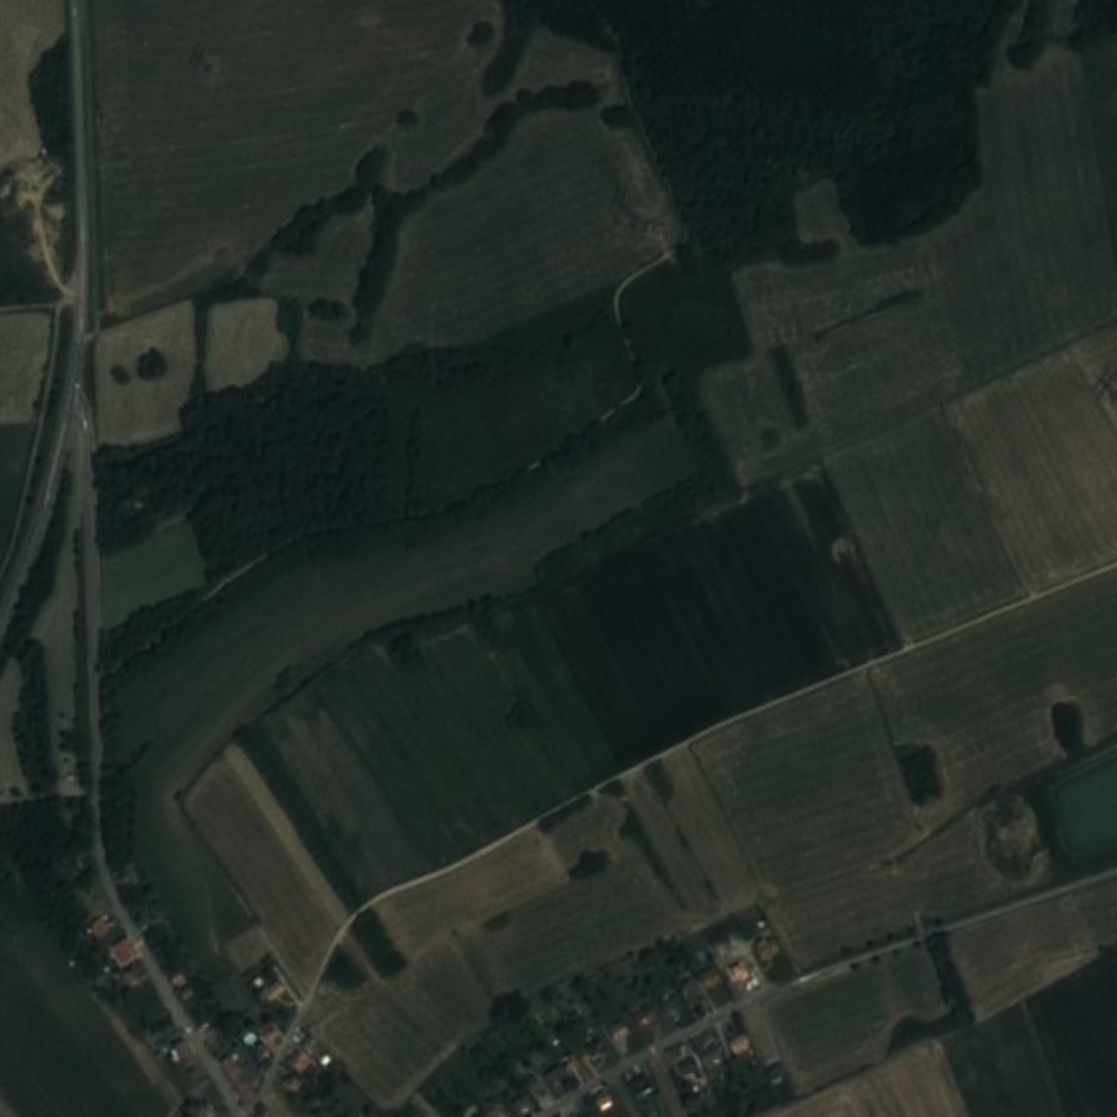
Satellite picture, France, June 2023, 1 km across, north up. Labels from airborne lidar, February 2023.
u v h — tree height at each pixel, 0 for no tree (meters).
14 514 0
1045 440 0
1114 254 0
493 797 0
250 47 0
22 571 0
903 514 0
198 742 0
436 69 0
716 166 7
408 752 0
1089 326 0
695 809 0
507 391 0
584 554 0
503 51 0
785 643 0
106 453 17
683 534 0
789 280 0
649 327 0
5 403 0
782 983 0
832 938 0
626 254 0
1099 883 0
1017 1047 0
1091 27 12
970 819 0
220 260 0
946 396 0
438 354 8
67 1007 0
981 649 0
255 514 7
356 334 10
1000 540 0
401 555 0
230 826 0
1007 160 0
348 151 0
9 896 0
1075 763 0
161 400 0
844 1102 0
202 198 0
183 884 0
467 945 0
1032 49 12
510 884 0
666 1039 0
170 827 0
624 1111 0
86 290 0
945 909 0
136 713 0
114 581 0
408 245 0
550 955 0
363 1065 0
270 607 0
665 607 0
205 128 0
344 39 0
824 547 0
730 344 0
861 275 0
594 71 0
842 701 0
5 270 0
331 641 0
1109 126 0
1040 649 0
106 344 0
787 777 0
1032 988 0
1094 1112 0
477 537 0
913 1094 0
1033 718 0
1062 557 0
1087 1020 0
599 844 0
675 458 0
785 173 12
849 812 0
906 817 0
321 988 0
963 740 0
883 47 9
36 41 0
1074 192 0
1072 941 0
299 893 0
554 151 0
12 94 0
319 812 0
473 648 0
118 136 0
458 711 0
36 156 0
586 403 0
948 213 14
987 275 0
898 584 0
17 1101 0
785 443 0
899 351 0
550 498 0
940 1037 0
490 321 0
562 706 0
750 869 0
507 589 0
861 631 0
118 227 0
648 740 0
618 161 0
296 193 0
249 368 0
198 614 9
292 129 0
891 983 0
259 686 0
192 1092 0
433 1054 0
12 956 0
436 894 0
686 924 0
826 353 0
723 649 0
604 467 0
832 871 0
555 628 0
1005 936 0
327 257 0
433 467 0
